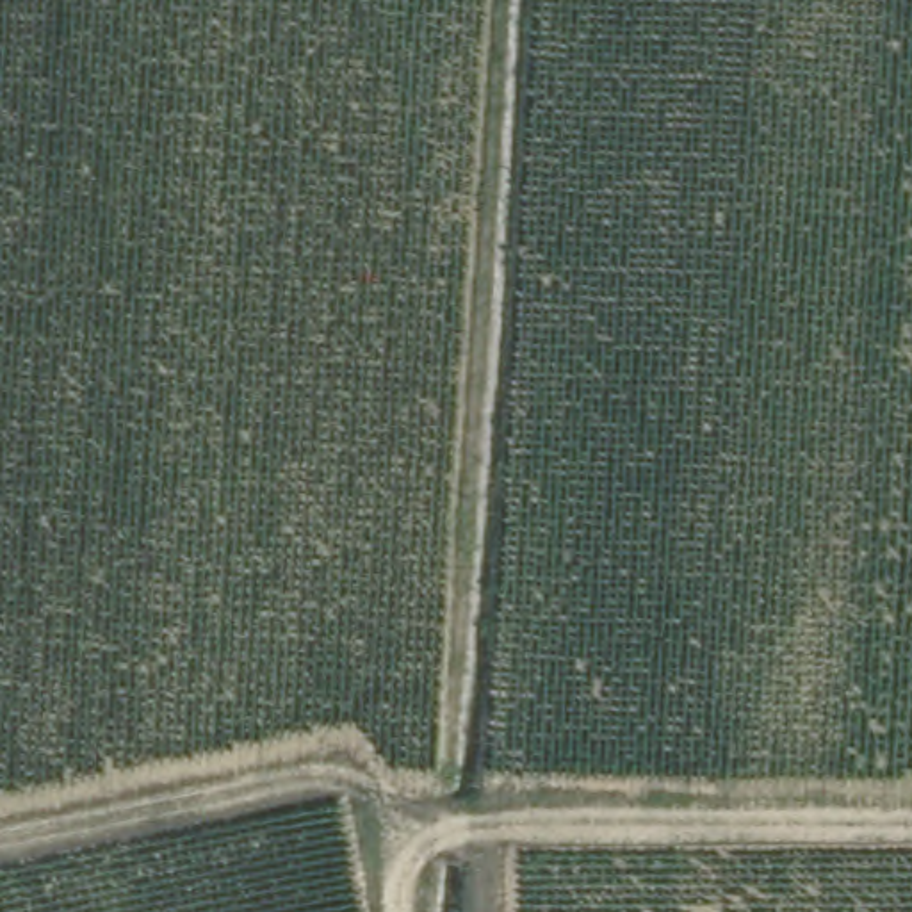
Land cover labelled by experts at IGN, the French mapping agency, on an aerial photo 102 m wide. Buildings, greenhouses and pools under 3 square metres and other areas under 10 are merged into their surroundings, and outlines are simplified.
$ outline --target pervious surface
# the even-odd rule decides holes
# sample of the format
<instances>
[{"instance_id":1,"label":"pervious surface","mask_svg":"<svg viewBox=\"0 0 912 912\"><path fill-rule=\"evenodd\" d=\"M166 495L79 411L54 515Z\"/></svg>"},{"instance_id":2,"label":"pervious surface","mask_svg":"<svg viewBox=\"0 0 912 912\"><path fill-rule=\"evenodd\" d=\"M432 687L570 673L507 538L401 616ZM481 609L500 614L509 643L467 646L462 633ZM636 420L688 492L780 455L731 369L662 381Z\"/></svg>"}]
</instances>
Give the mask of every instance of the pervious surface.
<instances>
[{"instance_id":1,"label":"pervious surface","mask_svg":"<svg viewBox=\"0 0 912 912\"><path fill-rule=\"evenodd\" d=\"M413 912L413 887L424 862L438 851L449 851L481 841L684 844L720 837L770 841L773 848L912 848L912 809L574 805L449 812L435 823L420 823L385 859L385 912Z\"/></svg>"}]
</instances>

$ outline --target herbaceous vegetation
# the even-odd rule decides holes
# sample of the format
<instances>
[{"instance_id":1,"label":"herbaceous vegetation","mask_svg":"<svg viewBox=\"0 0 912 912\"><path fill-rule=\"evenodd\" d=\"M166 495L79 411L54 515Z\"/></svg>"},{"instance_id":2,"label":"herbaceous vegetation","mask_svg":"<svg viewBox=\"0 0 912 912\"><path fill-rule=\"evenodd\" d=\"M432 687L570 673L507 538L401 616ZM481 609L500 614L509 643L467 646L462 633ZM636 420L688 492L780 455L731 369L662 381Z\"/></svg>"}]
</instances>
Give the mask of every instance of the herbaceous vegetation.
<instances>
[{"instance_id":1,"label":"herbaceous vegetation","mask_svg":"<svg viewBox=\"0 0 912 912\"><path fill-rule=\"evenodd\" d=\"M413 912L467 912L470 873L463 866L449 869L449 851L438 851L424 862L413 887Z\"/></svg>"}]
</instances>

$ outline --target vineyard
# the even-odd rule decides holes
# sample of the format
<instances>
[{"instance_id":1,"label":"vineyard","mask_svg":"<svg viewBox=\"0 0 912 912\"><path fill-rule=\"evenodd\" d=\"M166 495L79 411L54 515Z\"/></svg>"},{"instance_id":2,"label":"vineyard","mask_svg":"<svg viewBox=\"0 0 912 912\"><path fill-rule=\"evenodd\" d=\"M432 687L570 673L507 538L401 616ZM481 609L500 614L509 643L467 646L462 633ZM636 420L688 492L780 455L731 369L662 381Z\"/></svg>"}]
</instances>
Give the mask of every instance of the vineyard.
<instances>
[{"instance_id":1,"label":"vineyard","mask_svg":"<svg viewBox=\"0 0 912 912\"><path fill-rule=\"evenodd\" d=\"M420 823L435 823L449 812L574 805L912 809L912 0L0 0L0 912L385 912L385 859Z\"/></svg>"},{"instance_id":2,"label":"vineyard","mask_svg":"<svg viewBox=\"0 0 912 912\"><path fill-rule=\"evenodd\" d=\"M470 873L467 912L912 912L912 848L773 848L770 841L720 837L684 844L481 841L449 851L449 869L463 866Z\"/></svg>"}]
</instances>

